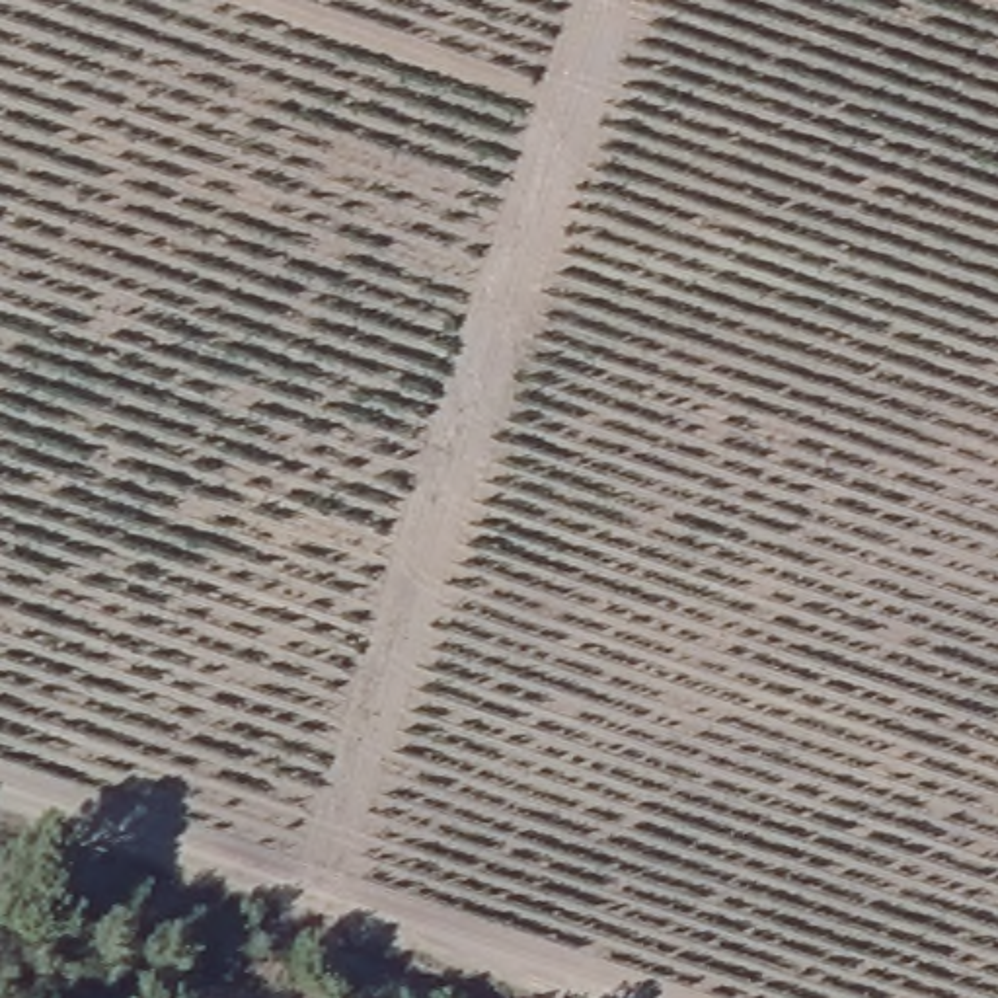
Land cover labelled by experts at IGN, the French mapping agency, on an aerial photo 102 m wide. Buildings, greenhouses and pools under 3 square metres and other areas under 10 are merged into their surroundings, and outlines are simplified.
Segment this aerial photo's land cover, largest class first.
<instances>
[{"label":"vineyard","instance_id":"1","mask_svg":"<svg viewBox=\"0 0 998 998\"><path fill-rule=\"evenodd\" d=\"M359 752L363 760H374L382 776H394L402 784L394 791H378L370 799V815L437 830L433 842L382 830V838L413 846V858L366 850V858L374 862V885L402 889L409 897L491 924H507L515 932H530L565 947H585L596 959L635 967L651 986L678 982L713 998H998V0H0V768L23 764L31 772L70 780L97 795L109 784L125 780H183L187 826L199 823L203 830H230V823L218 819L222 807L246 803L250 791H261L273 803L308 807L304 795L281 791L277 780L288 776L324 787L331 760H355Z\"/></svg>","mask_w":998,"mask_h":998},{"label":"pervious surface","instance_id":"2","mask_svg":"<svg viewBox=\"0 0 998 998\"><path fill-rule=\"evenodd\" d=\"M281 791L304 795L308 807L273 803L261 791H250L246 803L222 807L218 819L230 823V830H203L199 823L187 826L183 780H125L109 784L97 795L70 780L31 772L23 764L0 768V807L27 823L43 819L47 811L70 815L58 838L90 846L94 854H105L109 846H125L133 858L152 862H172L179 854L183 881H199L211 873L230 893H238L246 936H269L277 959L292 947L300 932L324 943L335 920L366 912L382 924H394V943L402 951H421L441 971L487 975L495 986L515 994L561 990L577 998H713L678 982L651 986L635 967L596 959L585 947H565L530 932H515L507 924H491L409 897L402 889L374 885V862L366 858V850L413 858V846L382 838V830L433 842L437 830L370 815V799L378 791H394L402 784L394 776H382L374 760H363L359 752L355 760H331L324 787L288 776L277 780Z\"/></svg>","mask_w":998,"mask_h":998},{"label":"deciduous trees","instance_id":"3","mask_svg":"<svg viewBox=\"0 0 998 998\"><path fill-rule=\"evenodd\" d=\"M70 815L47 811L43 819L27 823L0 807V998H577L561 990L515 994L495 986L487 975L441 971L421 951H402L394 943V924H382L366 912L335 920L324 943L300 932L292 947L277 959L269 936H246L238 893H230L211 873L199 881H183L179 854L172 862H152L133 858L125 846H109L105 854H94L90 846L58 838Z\"/></svg>","mask_w":998,"mask_h":998}]
</instances>
